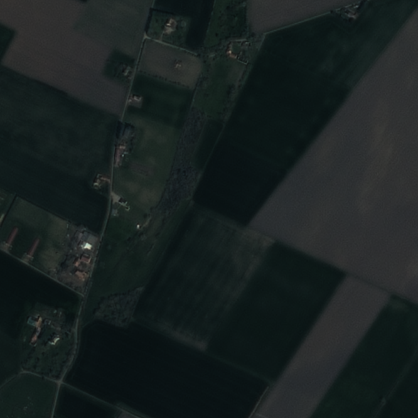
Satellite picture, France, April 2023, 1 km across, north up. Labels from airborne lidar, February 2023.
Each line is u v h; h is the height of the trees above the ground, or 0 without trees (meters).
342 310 0
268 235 0
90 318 0
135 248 0
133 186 0
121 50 0
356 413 0
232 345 0
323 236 0
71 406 0
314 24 0
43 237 0
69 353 6
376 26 0
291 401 0
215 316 0
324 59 0
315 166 0
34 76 0
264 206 0
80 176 0
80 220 0
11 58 0
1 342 0
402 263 0
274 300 0
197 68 0
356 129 0
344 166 0
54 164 0
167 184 9
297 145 0
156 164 0
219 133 0
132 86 0
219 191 0
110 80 0
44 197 0
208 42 0
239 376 0
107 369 0
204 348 0
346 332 0
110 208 0
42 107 0
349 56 0
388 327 0
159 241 0
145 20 0
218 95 0
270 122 0
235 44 10
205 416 0
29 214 0
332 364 0
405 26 0
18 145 0
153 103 0
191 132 16
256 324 0
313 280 0
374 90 0
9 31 0
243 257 0
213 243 0
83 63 0
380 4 0
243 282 0
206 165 0
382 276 0
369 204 0
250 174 0
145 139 0
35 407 0
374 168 0
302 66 0
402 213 0
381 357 0
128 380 0
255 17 0
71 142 0
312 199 0
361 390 0
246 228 0
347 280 0
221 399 0
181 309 0
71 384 0
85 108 0
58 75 0
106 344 0
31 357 7
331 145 0
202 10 0
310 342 0
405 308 0
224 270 0
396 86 0
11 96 0
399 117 0
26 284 0
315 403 0
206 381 0
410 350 0
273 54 0
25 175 0
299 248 0
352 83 0
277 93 0
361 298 0
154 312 0
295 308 0
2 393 0
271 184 0
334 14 11
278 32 0
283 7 0
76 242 12
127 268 0
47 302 0
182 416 0
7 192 0
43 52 0
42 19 0
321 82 0
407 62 0
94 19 0
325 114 0
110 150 0
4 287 0
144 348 0
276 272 0
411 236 0
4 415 0
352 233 0
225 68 0
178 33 0
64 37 0
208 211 0
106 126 0
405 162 0
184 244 0
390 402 0
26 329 0
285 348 0
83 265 14
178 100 0
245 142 0
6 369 0
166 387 0
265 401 0
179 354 0
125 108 0
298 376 0
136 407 0
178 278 0
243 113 0
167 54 0
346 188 0
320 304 0
